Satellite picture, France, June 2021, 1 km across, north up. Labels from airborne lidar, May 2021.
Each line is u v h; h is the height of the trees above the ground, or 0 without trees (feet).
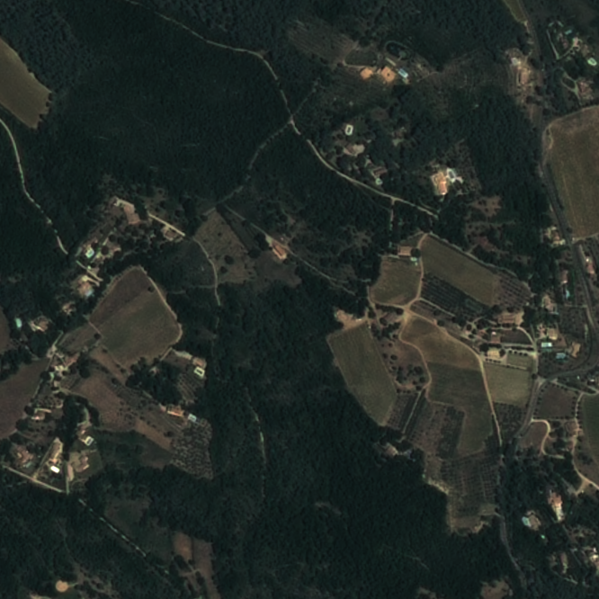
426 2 39
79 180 44
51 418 24
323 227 38
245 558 22
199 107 23
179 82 27
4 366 27
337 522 47
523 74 0
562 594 69
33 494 44
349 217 32
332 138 58
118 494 43
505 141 55
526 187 42
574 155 0
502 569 41
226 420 27
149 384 39
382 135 67
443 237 27
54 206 67
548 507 32
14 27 61
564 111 49
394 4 36
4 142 22
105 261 26
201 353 53
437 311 29
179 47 34
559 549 24
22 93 0
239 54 25
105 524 26
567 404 0
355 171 48
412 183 28
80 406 22
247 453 39
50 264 21
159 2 56
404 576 35
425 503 31
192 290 34
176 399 61
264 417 46
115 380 33
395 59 0
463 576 39
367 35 24
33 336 57
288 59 67
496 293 0
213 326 45
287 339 33
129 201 28
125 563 30
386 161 64
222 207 40
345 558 48
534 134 60
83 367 30
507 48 71
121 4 22
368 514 38
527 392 0
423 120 19
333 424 36
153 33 24
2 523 29
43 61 44
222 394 31
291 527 35
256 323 17
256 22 67
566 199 0
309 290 56
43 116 51
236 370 45
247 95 26
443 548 30
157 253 49
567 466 43
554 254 40
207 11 66
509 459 42
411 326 0
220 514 30
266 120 33
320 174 25
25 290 56
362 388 0
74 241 30
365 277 40
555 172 0
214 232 0
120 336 0
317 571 32
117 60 26
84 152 28
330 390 36
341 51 0
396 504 28
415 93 51
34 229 31
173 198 22
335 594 33
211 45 17
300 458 47
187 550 0
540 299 43
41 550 39
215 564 43
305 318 28
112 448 24
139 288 0
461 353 0
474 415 0
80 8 24
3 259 38
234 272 0
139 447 33
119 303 0
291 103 32
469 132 46
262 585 32
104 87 18
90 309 38
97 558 23
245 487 34
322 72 38
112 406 0
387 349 0
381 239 33
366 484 38
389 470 39
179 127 22
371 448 37
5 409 0
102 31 23
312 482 47
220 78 20
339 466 41
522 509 29
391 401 0
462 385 0
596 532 30
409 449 39
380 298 0
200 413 56
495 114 52
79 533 22
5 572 38
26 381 0
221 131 28
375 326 23
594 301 18
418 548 31
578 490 0
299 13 63
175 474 44
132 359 0
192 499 57
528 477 33
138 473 49
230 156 22
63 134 28
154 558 39
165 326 0
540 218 36
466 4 62
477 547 53
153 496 47
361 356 0
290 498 49
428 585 43
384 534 40
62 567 24
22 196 25
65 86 33
